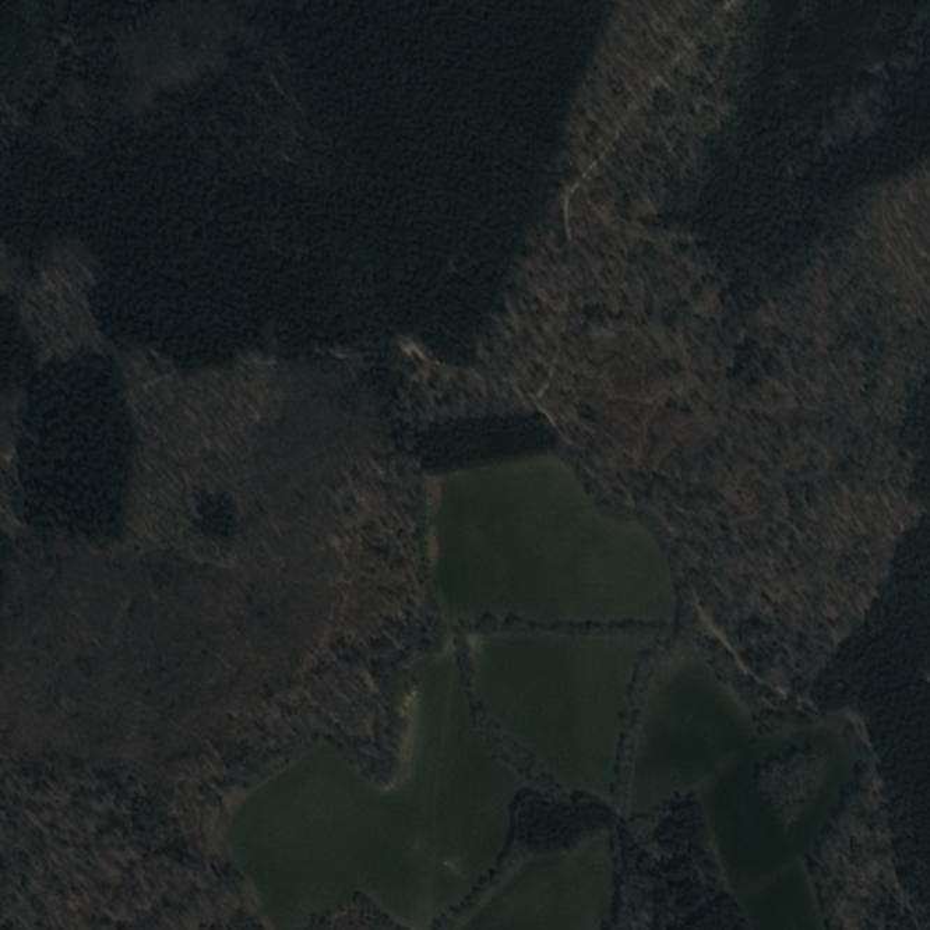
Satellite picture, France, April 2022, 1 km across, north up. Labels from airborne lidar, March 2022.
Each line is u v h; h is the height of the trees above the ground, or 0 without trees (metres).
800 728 11
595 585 0
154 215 25
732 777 0
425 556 11
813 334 26
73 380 26
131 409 29
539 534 0
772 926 0
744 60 13
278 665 10
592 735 0
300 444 18
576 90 26
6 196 20
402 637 32
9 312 20
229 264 19
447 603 0
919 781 24
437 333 17
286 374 19
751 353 16
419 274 19
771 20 14
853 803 22
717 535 27
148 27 22
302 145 18
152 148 29
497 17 22
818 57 18
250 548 19
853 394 20
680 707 0
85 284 24
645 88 23
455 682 0
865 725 29
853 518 25
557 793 18
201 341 27
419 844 0
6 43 10
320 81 22
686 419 32
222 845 0
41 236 27
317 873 0
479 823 0
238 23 23
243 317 26
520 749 14
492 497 0
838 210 21
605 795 0
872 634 22
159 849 8
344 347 18
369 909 13
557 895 0
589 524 0
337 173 20
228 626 11
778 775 20
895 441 19
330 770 0
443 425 29
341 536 18
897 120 14
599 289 30
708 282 14
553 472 0
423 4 23
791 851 0
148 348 37
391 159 26
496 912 0
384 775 26
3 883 23
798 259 25
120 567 11
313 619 12
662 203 27
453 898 0
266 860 0
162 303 32
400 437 17
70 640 13
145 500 28
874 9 18
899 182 22
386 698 31
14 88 9
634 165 26
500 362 31
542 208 10
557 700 0
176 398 25
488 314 18
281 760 23
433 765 0
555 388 31
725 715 0
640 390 7
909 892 17
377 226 25
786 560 30
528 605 0
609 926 0
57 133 20
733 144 25
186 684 12
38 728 8
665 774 0
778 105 17
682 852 24
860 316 19
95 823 24
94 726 9
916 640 19
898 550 23
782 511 27
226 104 18
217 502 25
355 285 15
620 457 35
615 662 0
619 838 12
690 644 25
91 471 34
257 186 18
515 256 21
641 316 35
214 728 9
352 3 24
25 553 15
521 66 23
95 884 22
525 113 26
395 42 26
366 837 0
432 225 23
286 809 0
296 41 23
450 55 23
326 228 22
